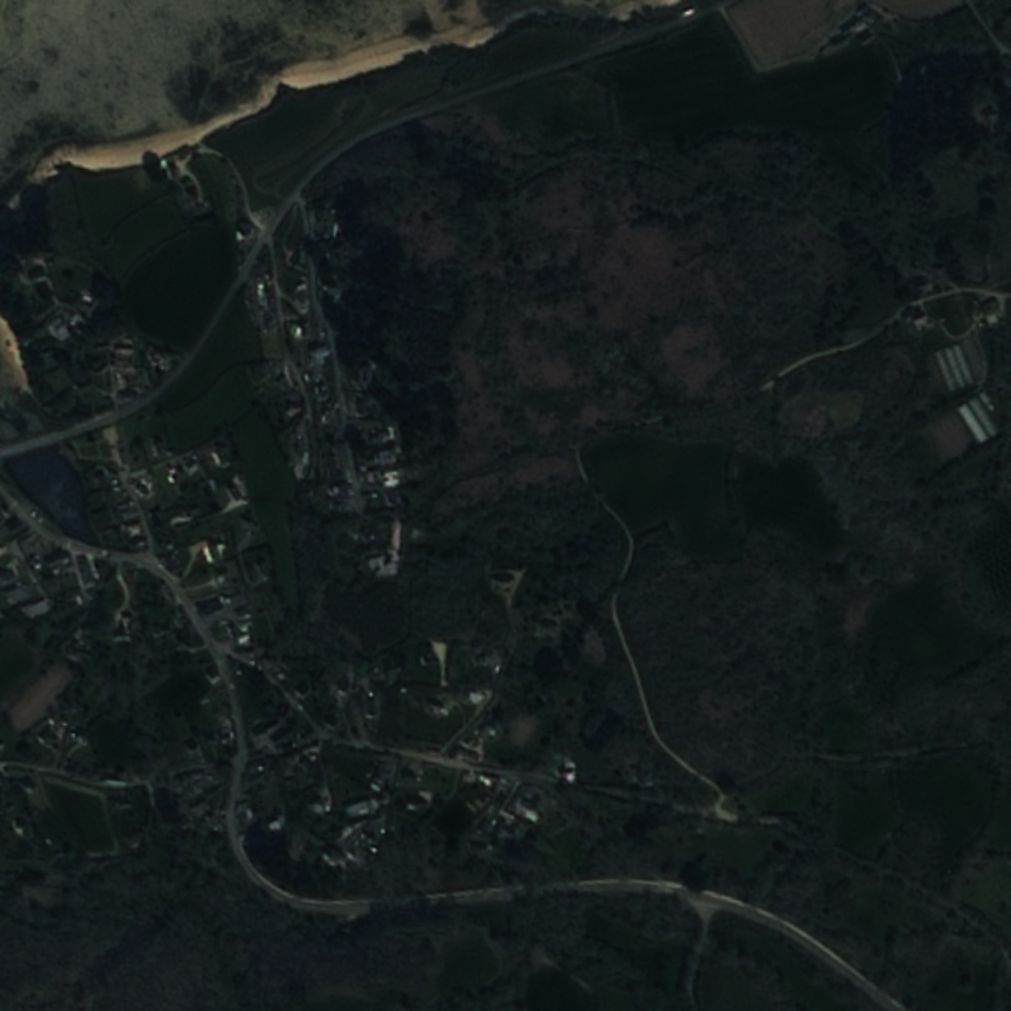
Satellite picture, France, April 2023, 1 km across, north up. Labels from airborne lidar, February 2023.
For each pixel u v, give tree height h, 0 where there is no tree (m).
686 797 11
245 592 7
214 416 0
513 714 16
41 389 12
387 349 9
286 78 0
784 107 0
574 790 14
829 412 0
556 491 7
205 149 0
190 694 0
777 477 0
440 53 8
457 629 9
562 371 0
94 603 7
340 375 0
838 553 0
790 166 12
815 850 20
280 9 0
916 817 0
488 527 10
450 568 10
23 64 0
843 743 0
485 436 0
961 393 0
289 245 0
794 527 0
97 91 0
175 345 0
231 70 0
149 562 0
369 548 7
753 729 10
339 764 0
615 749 15
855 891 0
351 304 15
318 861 0
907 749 6
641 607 7
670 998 8
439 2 0
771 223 7
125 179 0
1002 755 9
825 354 0
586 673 0
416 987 24
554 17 6
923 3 0
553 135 0
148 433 0
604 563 12
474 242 7
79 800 0
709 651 7
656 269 0
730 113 0
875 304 0
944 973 0
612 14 0
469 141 8
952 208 0
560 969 0
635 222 6
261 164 0
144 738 20
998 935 11
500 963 0
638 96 0
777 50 0
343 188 8
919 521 9
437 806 8
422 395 10
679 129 0
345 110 0
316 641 19
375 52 0
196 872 11
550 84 0
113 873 13
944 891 9
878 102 0
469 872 18
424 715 0
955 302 0
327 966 26
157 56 0
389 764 0
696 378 0
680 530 0
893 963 16
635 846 7
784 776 11
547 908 14
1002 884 0
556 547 6
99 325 18
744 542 8
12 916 10
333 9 0
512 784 0
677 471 0
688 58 0
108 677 13
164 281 0
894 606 0
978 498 12
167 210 0
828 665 0
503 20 0
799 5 0
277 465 0
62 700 8
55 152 0
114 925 16
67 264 0
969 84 16
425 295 11
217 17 0
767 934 7
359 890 13
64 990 7
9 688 0
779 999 11
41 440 0
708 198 9
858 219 6
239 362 0
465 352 7
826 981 5
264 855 23
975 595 8
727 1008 0
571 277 8
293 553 8
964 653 0
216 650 0
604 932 0
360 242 13
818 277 6
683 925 8
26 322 18
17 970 11
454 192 10
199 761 0
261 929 18
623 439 0
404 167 11
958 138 19
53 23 0
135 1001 17
